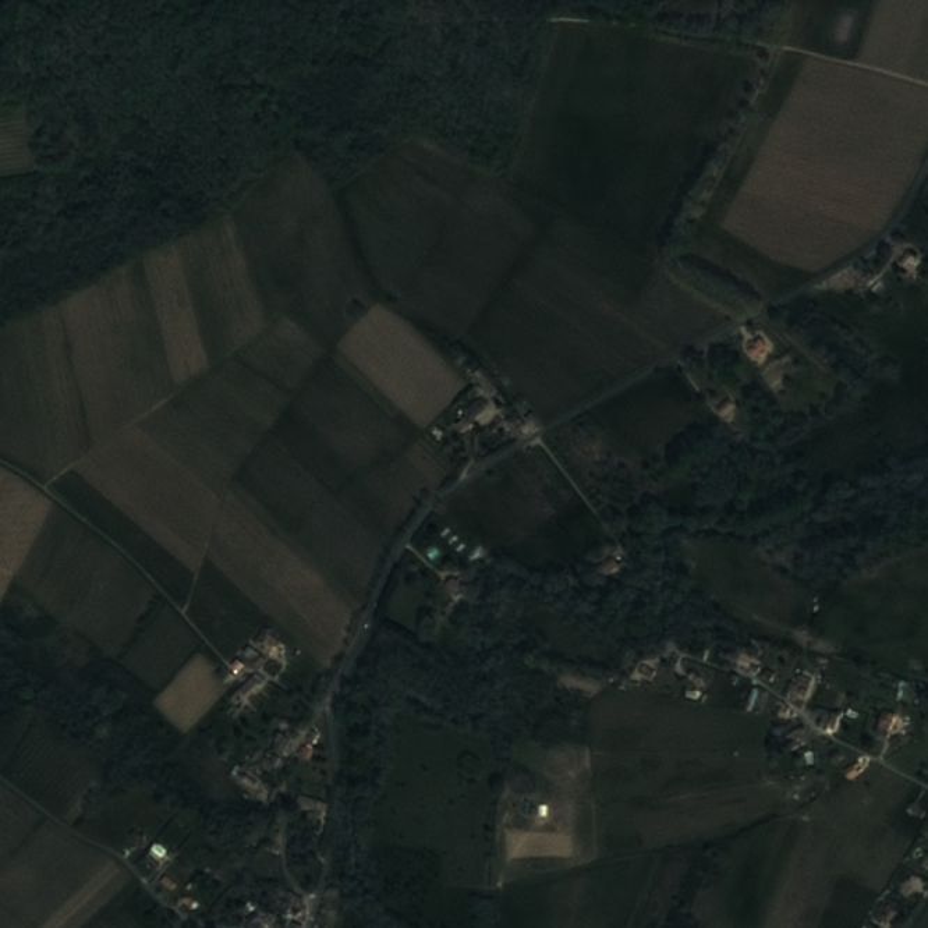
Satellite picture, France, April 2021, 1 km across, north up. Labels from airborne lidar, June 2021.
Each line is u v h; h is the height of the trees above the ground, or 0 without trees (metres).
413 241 0
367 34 21
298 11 27
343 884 6
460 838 0
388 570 11
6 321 16
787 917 0
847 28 0
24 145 0
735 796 0
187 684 0
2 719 10
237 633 0
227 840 23
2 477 0
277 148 24
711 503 17
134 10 23
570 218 0
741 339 8
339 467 0
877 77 0
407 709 11
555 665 15
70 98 13
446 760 0
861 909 0
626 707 0
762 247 0
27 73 21
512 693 13
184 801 18
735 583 0
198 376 0
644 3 21
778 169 0
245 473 0
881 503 22
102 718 24
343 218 0
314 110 18
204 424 0
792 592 0
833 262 0
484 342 0
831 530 0
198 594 0
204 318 0
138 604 0
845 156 0
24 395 0
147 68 21
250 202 0
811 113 0
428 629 16
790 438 26
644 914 0
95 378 0
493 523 0
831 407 12
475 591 21
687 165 0
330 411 0
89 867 0
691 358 19
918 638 0
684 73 0
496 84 20
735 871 0
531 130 0
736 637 7
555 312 0
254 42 24
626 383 0
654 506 22
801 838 0
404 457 0
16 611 0
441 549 0
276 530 0
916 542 16
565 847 0
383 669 24
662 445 6
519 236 0
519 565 26
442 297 0
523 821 0
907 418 0
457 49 18
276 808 8
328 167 18
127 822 0
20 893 0
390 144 15
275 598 0
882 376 10
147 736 9
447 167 0
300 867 20
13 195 8
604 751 0
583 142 0
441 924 0
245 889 18
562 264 0
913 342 0
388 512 0
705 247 0
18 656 6
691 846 0
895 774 0
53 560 0
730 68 0
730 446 22
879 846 0
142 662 0
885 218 0
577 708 6
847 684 0
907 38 0
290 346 0
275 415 0
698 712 0
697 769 0
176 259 0
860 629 0
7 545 0
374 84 18
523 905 0
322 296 0
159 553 0
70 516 0
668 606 19
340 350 0
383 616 8
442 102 22
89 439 0
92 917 0
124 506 0
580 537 0
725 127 0
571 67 0
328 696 18
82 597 0
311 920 0
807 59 0
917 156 0
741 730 0
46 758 0
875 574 11
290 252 0
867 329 0
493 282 0
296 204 0
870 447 0
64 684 8
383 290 0
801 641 0
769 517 22
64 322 0
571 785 0
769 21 26
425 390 0
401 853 10
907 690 12
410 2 14
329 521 0
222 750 10
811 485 13
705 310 0
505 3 20
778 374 0
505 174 6
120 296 0
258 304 0
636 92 0
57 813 0
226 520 0
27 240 14
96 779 0
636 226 0
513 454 0
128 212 14
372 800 19
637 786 0
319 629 0
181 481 0
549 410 0
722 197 0
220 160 22
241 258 0
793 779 0
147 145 19
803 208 0
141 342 0
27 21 24
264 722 7
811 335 6
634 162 0
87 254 17
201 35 24
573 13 8
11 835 0
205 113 21
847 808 0
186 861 10
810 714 0
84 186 8
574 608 12
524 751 0
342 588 0
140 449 0
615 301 0
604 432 8
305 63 24
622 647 16
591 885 0
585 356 0
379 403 0
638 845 0
